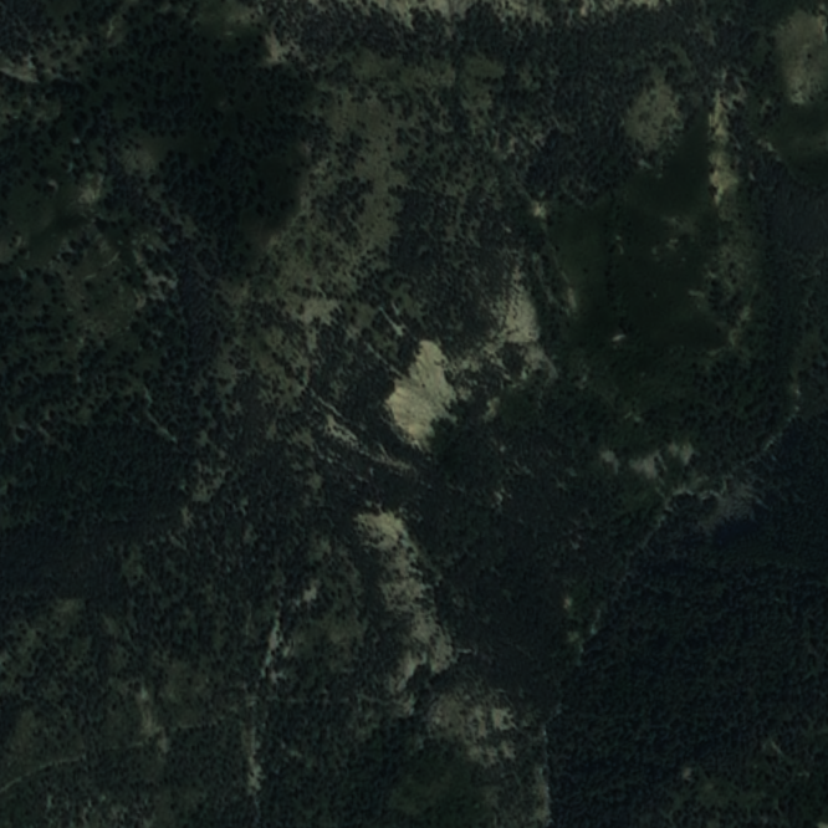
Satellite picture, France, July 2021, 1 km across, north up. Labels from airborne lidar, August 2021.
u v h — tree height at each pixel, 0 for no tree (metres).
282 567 12
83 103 22
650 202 0
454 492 11
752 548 17
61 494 19
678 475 10
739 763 14
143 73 10
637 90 11
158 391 9
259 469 13
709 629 8
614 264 9
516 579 19
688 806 11
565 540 15
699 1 12
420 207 14
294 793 11
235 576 13
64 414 12
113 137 14
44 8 12
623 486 9
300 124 19
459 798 8
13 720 13
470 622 14
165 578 12
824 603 19
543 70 11
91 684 12
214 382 12
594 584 15
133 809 12
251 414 10
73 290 0
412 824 11
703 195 0
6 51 10
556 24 9
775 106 7
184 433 10
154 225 13
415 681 14
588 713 14
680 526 13
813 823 7
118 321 0
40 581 15
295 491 11
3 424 25
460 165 10
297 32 8
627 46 12
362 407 13
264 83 15
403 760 9
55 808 6
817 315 13
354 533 8
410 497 7
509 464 10
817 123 0
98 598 13
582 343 8
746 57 9
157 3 15
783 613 22
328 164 6
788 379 19
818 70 0
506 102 10
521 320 0
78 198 0
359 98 7
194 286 14
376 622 11
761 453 15
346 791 6
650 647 12
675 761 6
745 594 17
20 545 18
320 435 9
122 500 20
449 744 7
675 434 8
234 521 14
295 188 0
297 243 8
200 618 13
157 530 9
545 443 8
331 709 12
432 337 8
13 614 13
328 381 10
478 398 7
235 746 11
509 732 7
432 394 0
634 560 16
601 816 16
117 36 0
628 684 12
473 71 0
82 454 17
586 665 8
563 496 14
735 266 9
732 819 10
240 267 13
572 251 0
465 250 8
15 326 17
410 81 0
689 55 8
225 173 23
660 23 15
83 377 10
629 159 11
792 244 12
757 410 8
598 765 22
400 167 8
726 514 0
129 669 7
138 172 7
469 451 10
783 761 6
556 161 18
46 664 11
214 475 6
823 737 7
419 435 0
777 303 12
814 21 0
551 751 13
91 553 13
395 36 11
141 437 14
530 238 11
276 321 11
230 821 9
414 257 13
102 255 0
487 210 8
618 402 6
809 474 26
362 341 11
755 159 10
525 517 10
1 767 9
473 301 8
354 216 12
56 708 11
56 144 14
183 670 0
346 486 14
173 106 21
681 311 0
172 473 14
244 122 17
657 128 0
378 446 12
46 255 0
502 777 8
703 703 20
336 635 0
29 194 0
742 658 12
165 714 12
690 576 28
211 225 19
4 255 0
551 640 14
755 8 18
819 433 12
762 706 8
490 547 15
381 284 18
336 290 7
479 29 10
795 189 13
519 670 12
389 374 10
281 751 6
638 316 0
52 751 7
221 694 12
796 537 23
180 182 11
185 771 9
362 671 12
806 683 20
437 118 10
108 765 13
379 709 9
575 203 6
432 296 8
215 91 0
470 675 5
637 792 19
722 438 15
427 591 7
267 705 7
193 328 15
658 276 0
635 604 27
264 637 14
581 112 6
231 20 0
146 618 15
